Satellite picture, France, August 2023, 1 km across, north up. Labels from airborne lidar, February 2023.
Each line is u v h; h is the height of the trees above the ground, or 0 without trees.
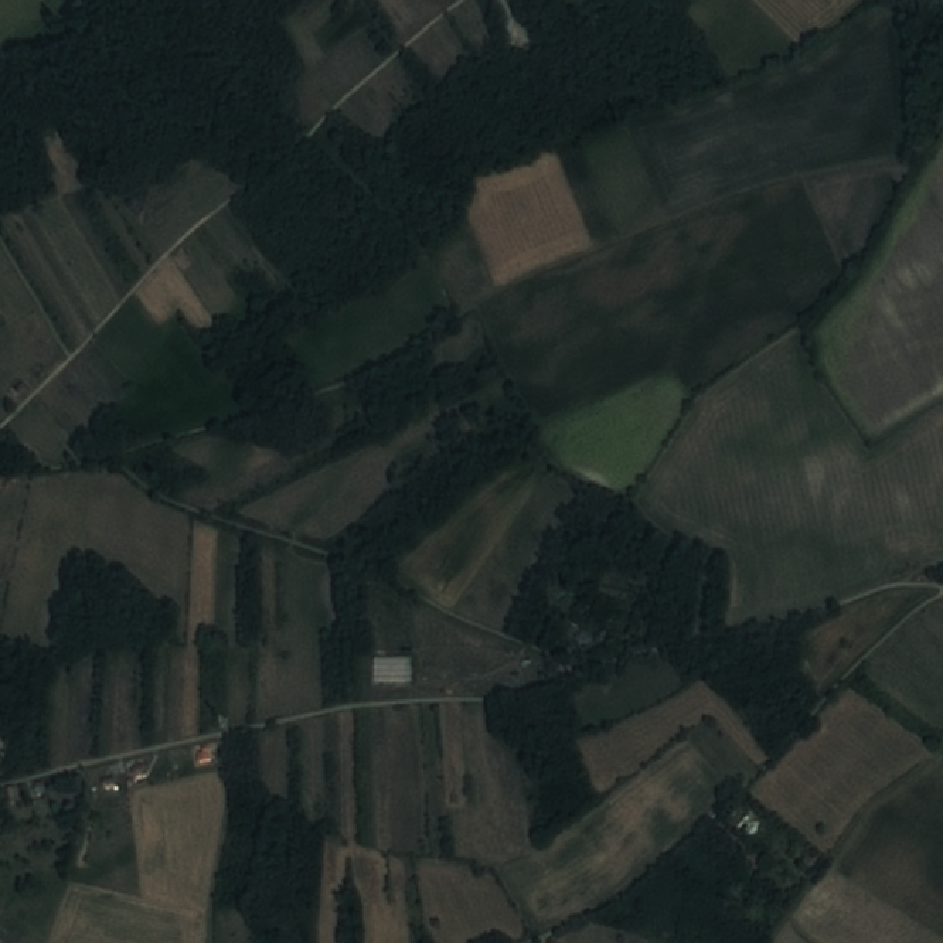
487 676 0
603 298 0
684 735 9
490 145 29
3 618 0
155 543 0
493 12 12
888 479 0
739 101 0
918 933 0
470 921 0
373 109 0
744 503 0
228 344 26
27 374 0
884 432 0
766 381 0
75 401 0
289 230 16
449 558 0
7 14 0
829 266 0
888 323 0
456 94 23
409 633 0
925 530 0
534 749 14
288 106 12
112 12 24
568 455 0
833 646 0
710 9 0
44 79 24
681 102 21
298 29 0
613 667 14
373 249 24
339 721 0
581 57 24
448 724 0
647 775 0
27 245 0
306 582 0
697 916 13
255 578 17
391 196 21
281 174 22
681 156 0
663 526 0
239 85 15
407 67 6
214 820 0
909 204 0
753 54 0
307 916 0
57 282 0
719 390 0
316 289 27
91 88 20
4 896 0
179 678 0
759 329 0
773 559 0
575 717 16
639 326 0
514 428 15
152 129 23
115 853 0
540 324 0
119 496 0
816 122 0
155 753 0
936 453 0
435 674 0
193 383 0
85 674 0
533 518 0
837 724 0
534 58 21
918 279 0
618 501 14
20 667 13
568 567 22
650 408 0
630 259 0
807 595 0
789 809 0
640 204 0
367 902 0
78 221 0
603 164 0
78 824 11
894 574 0
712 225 0
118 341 0
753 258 0
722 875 16
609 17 18
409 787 0
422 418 0
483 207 0
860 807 0
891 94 0
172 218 0
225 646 20
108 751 0
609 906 9
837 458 0
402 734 0
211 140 20
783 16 0
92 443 28
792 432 0
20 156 18
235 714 0
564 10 14
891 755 0
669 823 0
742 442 0
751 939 14
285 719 0
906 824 0
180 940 0
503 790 0
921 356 0
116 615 24
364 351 0
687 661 14
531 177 0
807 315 8
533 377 0
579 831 0
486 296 0
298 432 16
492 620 0
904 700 0
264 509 0
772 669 21
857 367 0
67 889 0
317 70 0
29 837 0
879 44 0
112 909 0
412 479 16
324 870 0
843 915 0
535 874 0
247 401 25
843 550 0
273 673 0
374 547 18
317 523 0
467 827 0
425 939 6
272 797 12
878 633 0
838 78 0
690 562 21
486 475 25
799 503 0
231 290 0
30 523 0
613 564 26
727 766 0
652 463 0
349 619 20
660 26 20
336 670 9
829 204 0
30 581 0
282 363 10
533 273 0
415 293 0
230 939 0
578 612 7
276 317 27
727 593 14
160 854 0
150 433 0
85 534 0
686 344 0
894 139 0
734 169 0
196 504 0
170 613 20
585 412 0
